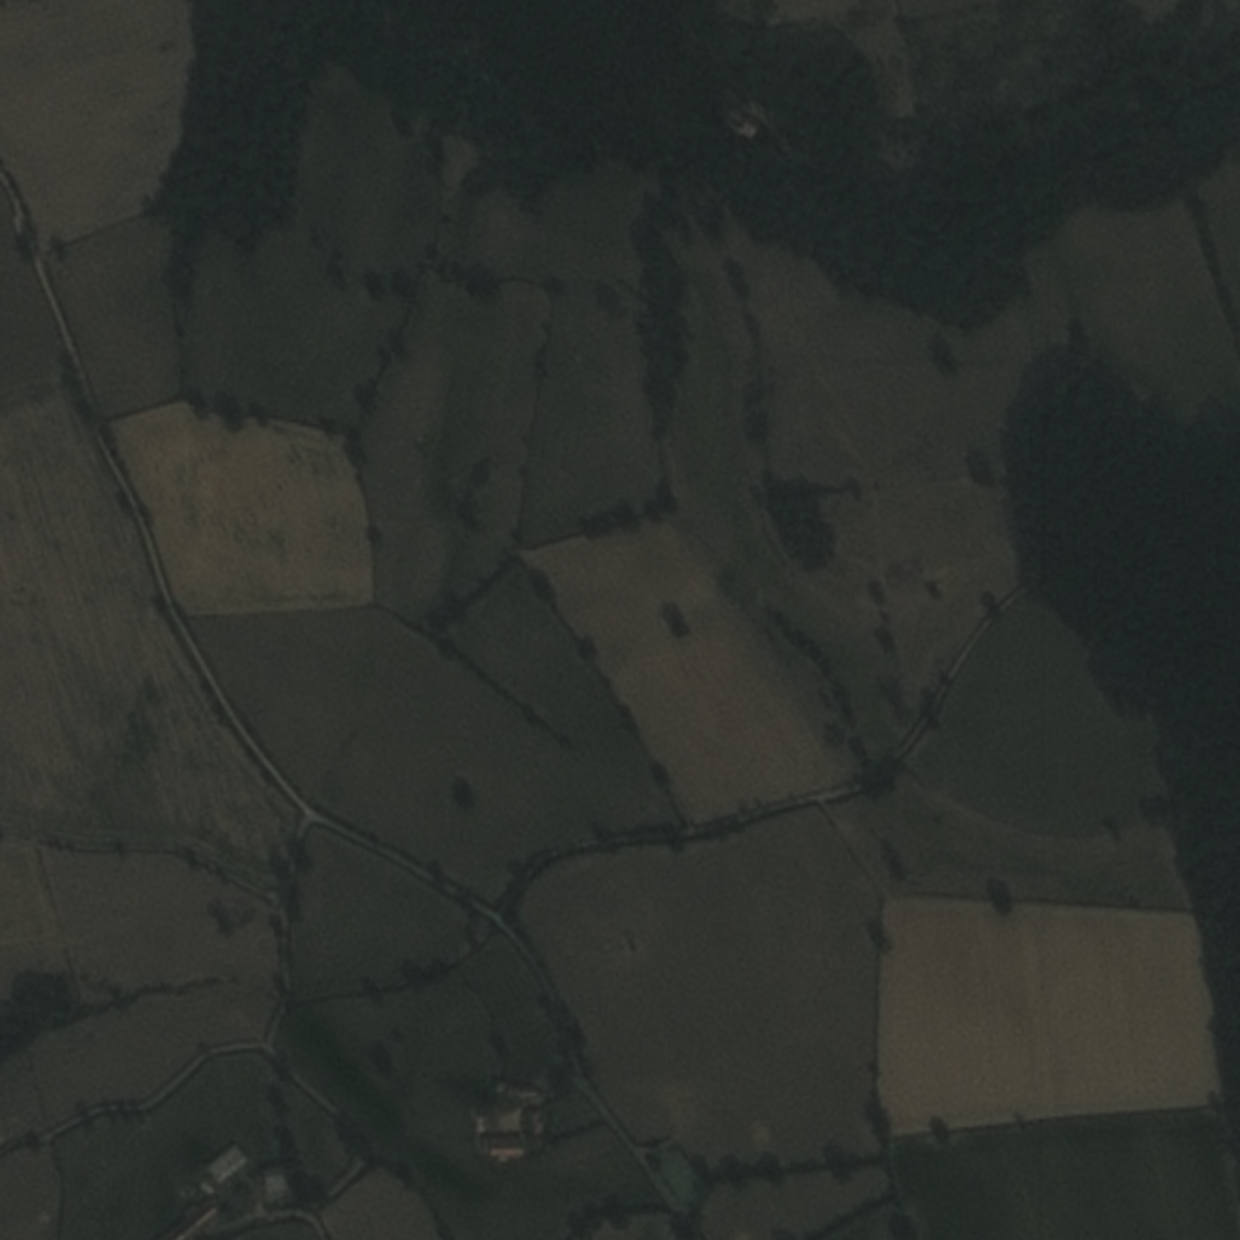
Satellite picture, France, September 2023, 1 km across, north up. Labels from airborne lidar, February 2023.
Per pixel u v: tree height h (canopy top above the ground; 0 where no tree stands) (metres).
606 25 10
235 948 0
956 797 0
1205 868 18
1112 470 24
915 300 12
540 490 0
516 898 11
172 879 0
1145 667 17
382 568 0
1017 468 17
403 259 0
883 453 0
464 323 0
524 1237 0
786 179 22
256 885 0
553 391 0
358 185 0
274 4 25
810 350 0
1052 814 0
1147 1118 0
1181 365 0
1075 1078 0
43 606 0
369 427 0
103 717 0
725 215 9
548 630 0
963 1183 0
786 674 0
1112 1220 0
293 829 0
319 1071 0
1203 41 10
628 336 0
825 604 0
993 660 0
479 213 0
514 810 0
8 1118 0
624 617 0
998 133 11
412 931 0
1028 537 16
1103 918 0
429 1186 0
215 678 0
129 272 0
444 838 0
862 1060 0
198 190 22
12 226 0
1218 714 23
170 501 0
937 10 0
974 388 0
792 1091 0
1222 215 0
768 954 0
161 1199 0
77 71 0
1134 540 21
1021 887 0
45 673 0
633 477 0
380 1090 0
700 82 10
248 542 0
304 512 0
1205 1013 0
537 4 11
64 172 0
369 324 0
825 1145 0
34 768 0
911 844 0
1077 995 0
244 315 0
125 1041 0
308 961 0
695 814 0
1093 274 0
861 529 0
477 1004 0
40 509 0
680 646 0
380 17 15
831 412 0
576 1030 15
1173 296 0
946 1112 0
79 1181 0
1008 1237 0
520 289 0
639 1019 0
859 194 16
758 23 12
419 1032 0
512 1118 0
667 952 0
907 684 0
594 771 0
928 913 0
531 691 0
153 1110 0
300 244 0
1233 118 8
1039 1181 0
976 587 0
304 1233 0
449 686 0
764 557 0
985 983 0
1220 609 22
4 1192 0
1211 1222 0
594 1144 0
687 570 0
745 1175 11
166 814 0
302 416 0
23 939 0
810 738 0
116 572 0
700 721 0
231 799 0
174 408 0
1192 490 24
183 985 0
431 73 17
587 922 0
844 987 0
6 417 0
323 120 0
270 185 14
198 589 0
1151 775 0
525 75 5
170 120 0
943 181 21
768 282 0
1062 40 7
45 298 0
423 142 0
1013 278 16
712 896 0
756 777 0
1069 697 0
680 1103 0
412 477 0
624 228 0
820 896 0
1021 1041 0
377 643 0
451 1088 0
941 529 0
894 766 8
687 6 11
